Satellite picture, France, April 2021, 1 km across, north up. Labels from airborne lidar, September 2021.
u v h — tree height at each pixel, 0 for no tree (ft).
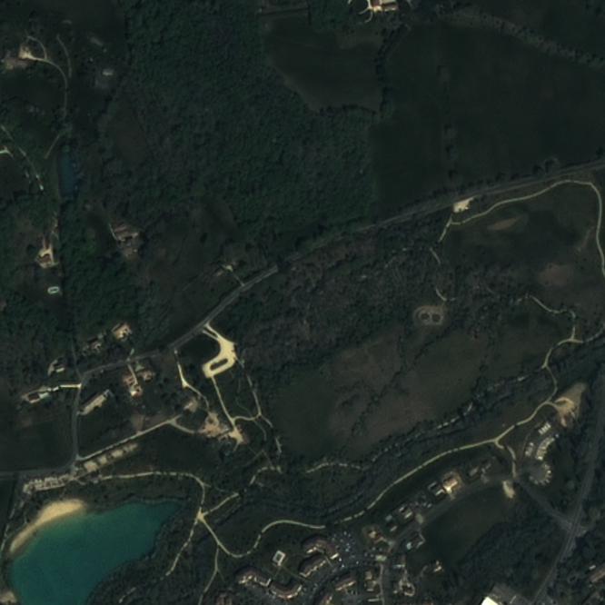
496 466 0
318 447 0
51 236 77
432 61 0
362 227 61
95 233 0
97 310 84
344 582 0
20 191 0
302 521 26
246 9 55
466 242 0
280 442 25
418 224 39
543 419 24
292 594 0
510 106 0
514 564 52
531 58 0
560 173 43
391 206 0
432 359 0
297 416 0
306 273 42
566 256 0
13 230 62
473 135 0
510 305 29
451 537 0
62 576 0
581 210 0
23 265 0
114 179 46
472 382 0
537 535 57
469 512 0
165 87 51
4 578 23
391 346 0
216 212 0
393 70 0
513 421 0
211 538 27
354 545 0
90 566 0
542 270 0
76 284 68
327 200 67
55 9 0
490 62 0
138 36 69
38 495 27
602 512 27
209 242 53
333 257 29
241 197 72
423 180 0
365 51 0
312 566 0
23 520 22
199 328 0
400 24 50
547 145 0
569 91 0
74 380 53
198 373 69
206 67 83
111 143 46
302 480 42
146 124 30
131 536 0
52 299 0
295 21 0
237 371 22
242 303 40
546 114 0
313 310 45
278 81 54
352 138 72
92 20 0
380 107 0
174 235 0
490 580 40
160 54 63
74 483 20
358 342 23
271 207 79
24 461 0
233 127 71
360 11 0
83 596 0
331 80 0
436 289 31
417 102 0
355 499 38
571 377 24
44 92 0
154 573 27
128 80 51
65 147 48
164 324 25
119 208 28
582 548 31
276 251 0
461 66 0
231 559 23
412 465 21
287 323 50
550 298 0
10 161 0
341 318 38
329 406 0
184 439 18
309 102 0
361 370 0
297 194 87
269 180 89
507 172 0
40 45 20
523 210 0
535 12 0
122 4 53
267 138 84
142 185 55
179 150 69
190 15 59
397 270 51
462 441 38
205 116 57
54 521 0
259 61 63
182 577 31
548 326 0
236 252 59
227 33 72
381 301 22
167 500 34
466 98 0
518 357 0
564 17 0
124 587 25
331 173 68
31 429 0
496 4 0
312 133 56
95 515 0
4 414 0
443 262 42
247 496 37
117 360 46
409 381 0
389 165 0
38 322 83
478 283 24
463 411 28
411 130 0
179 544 31
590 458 43
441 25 0
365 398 0
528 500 31
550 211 0
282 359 28
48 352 58
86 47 0
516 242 0
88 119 28
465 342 0
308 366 31
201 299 0
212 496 27
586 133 0
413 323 28
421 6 46
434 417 0
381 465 52
